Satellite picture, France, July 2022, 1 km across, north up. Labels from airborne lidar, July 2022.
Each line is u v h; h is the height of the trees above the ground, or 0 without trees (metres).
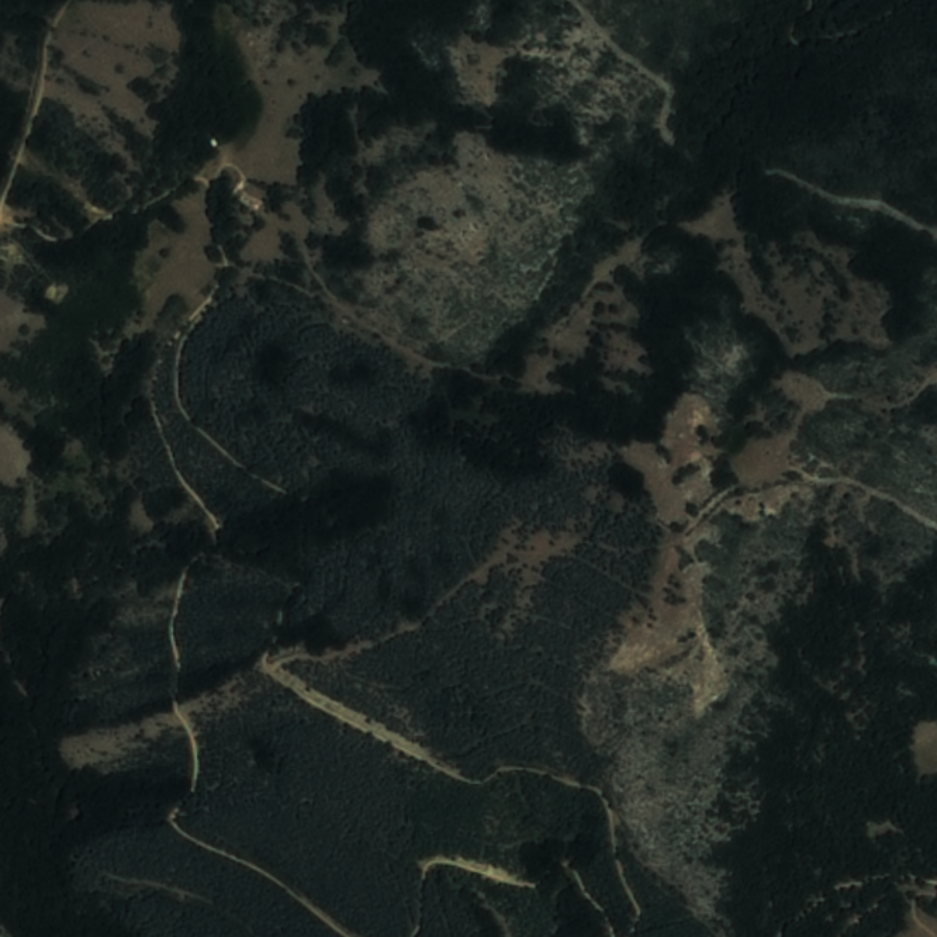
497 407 13
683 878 0
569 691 8
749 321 7
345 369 12
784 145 9
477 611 11
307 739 11
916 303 6
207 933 17
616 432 9
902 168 6
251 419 9
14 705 17
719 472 7
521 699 10
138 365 12
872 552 7
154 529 9
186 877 14
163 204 8
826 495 7
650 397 9
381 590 10
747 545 0
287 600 7
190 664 9
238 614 9
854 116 13
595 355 8
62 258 12
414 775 7
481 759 12
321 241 7
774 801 9
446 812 9
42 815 26
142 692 8
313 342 13
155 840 14
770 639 6
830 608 14
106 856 13
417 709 10
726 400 6
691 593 0
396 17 14
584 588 9
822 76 16
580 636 9
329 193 10
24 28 7
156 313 5
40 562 14
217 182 12
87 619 14
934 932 0
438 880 9
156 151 10
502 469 13
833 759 13
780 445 0
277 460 11
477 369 11
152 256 0
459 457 12
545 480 13
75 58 0
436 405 12
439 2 13
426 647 11
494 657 10
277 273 8
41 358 6
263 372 11
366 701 8
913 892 9
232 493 11
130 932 9
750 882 11
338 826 16
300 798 12
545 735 9
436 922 17
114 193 7
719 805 6
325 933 14
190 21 19
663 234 13
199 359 12
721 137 19
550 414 14
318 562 11
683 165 7
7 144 9
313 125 15
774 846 12
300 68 0
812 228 9
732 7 8
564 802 12
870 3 20
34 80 0
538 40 0
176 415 8
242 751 7
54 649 24
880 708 8
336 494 19
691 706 0
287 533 15
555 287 9
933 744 0
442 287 0
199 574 6
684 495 0
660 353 8
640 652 0
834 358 6
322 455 11
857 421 0
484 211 0
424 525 10
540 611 10
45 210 11
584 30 0
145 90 8
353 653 7
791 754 12
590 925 15
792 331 7
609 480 7
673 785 0
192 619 8
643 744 0
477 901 6
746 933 6
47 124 7
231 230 9
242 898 16
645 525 9
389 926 16
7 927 9
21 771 20
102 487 9
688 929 9
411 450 11
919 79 7
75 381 15
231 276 9
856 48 12
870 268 8
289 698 7
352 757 12
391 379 12
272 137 0
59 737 10
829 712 12
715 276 12
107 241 13
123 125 5
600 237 8
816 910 11
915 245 6
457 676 13
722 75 26
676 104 6
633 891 8
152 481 7
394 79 12
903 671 7
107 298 9
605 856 9
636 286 7
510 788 6
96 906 7
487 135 8
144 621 0
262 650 5
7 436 0
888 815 12
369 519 9
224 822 13
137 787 10
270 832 16
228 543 13
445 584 9
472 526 10
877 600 6
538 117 5
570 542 0
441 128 8
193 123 8
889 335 8
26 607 14
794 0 9
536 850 13
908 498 0
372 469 12
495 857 7
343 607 11
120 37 0
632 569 11
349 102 11
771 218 9
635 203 13
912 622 6
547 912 9
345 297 7
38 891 18
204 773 9
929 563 7
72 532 14
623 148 6
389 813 11
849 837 18
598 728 0
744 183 16
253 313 11
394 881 16
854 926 10
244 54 0
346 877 15
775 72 25
